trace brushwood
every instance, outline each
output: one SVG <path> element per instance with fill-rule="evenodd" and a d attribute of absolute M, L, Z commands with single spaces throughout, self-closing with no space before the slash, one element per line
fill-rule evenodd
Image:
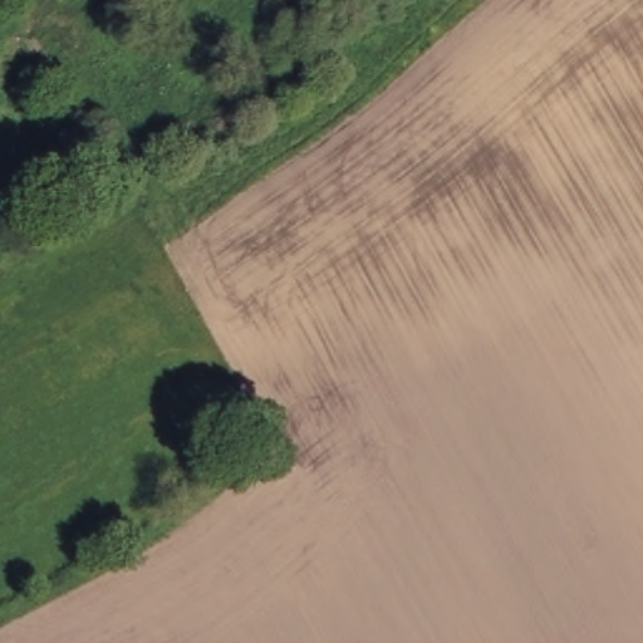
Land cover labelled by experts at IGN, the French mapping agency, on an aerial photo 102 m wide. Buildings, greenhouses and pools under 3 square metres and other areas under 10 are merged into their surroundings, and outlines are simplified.
<path fill-rule="evenodd" d="M 208 485 L 196 485 L 188 485 L 186 475 L 178 467 L 166 470 L 161 472 L 156 485 L 156 500 L 161 505 L 136 510 L 128 500 L 121 505 L 118 520 L 141 520 L 146 525 L 161 517 L 171 517 L 178 527 L 196 512 L 201 512 L 206 505 L 211 505 L 221 492 Z"/>
<path fill-rule="evenodd" d="M 93 580 L 95 575 L 88 568 L 75 565 L 55 580 L 38 578 L 33 573 L 23 593 L 13 603 L 0 608 L 0 625 L 60 598 L 63 593 Z"/>

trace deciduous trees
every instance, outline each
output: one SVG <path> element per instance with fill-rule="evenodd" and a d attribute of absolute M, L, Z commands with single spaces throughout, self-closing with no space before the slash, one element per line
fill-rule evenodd
<path fill-rule="evenodd" d="M 296 445 L 284 432 L 286 409 L 274 399 L 264 399 L 259 394 L 254 394 L 246 402 L 211 402 L 193 417 L 191 447 L 183 452 L 183 460 L 188 460 L 193 467 L 196 485 L 208 485 L 221 492 L 239 492 L 254 482 L 279 480 L 296 462 Z"/>
<path fill-rule="evenodd" d="M 93 532 L 78 543 L 75 565 L 88 568 L 95 575 L 141 565 L 146 560 L 146 550 L 138 540 L 146 525 L 141 520 L 118 520 L 108 522 L 100 532 Z"/>
<path fill-rule="evenodd" d="M 23 186 L 0 193 L 0 294 L 18 284 L 18 271 L 25 264 L 55 264 L 63 256 L 70 256 L 78 244 L 90 239 L 95 234 L 95 224 L 113 216 L 126 196 L 131 166 L 118 163 L 118 143 L 126 143 L 131 138 L 133 128 L 118 123 L 118 118 L 105 105 L 88 100 L 88 93 L 70 75 L 60 75 L 55 68 L 43 68 L 35 85 L 28 90 L 28 113 L 33 118 L 60 118 L 70 113 L 83 126 L 93 126 L 95 138 L 75 146 L 70 153 L 63 156 L 48 153 L 30 158 L 25 163 Z"/>

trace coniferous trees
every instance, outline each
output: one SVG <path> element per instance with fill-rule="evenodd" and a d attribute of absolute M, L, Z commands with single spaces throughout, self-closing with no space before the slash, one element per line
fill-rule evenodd
<path fill-rule="evenodd" d="M 126 0 L 123 13 L 128 15 L 131 28 L 118 43 L 123 48 L 143 53 L 146 60 L 156 55 L 178 55 L 181 60 L 186 60 L 191 55 L 191 48 L 196 43 L 193 18 L 186 15 L 176 23 L 173 15 L 166 10 L 171 0 Z"/>
<path fill-rule="evenodd" d="M 201 73 L 201 78 L 211 85 L 216 100 L 221 95 L 234 95 L 241 88 L 254 88 L 256 83 L 264 83 L 271 75 L 289 73 L 296 60 L 304 63 L 304 83 L 311 90 L 339 90 L 349 78 L 349 63 L 339 53 L 342 40 L 349 33 L 369 25 L 374 18 L 394 18 L 399 10 L 399 0 L 301 0 L 304 15 L 294 15 L 291 10 L 279 13 L 271 28 L 271 38 L 266 43 L 254 43 L 251 33 L 246 38 L 239 38 L 234 28 L 219 40 L 221 48 L 229 53 L 226 60 L 213 63 Z"/>
<path fill-rule="evenodd" d="M 279 88 L 276 98 L 256 98 L 236 113 L 236 131 L 224 143 L 206 143 L 196 138 L 196 123 L 178 116 L 176 126 L 168 126 L 163 133 L 151 136 L 138 163 L 148 173 L 171 178 L 173 191 L 186 188 L 203 168 L 213 171 L 216 163 L 226 161 L 226 153 L 241 153 L 249 146 L 269 138 L 276 131 L 279 121 L 291 118 L 294 111 L 299 111 L 299 90 Z"/>

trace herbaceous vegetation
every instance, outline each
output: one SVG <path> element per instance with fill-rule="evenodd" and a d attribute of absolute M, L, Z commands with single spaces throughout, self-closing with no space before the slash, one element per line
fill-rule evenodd
<path fill-rule="evenodd" d="M 161 517 L 146 525 L 138 540 L 146 550 L 153 543 L 168 538 L 178 527 L 171 517 Z"/>
<path fill-rule="evenodd" d="M 126 143 L 118 143 L 118 163 L 131 166 L 126 196 L 113 216 L 95 224 L 95 234 L 90 239 L 93 244 L 100 244 L 108 236 L 113 236 L 121 229 L 121 219 L 126 213 L 138 213 L 141 221 L 148 224 L 151 239 L 156 239 L 161 246 L 183 236 L 191 226 L 203 221 L 224 203 L 229 203 L 236 193 L 264 178 L 284 161 L 294 158 L 314 141 L 319 141 L 347 116 L 357 113 L 367 100 L 372 100 L 379 90 L 387 88 L 389 80 L 404 73 L 435 40 L 452 30 L 462 18 L 475 13 L 485 0 L 399 0 L 399 10 L 394 18 L 374 18 L 369 25 L 349 33 L 342 40 L 339 53 L 349 63 L 349 78 L 339 90 L 311 90 L 304 83 L 304 63 L 296 60 L 289 73 L 271 75 L 264 83 L 256 83 L 254 88 L 241 88 L 234 95 L 221 95 L 216 100 L 211 85 L 201 78 L 201 73 L 213 63 L 226 60 L 229 53 L 221 48 L 219 40 L 234 28 L 239 38 L 246 38 L 251 33 L 254 43 L 266 43 L 271 38 L 271 28 L 279 13 L 291 10 L 294 15 L 304 15 L 301 0 L 171 0 L 166 10 L 173 15 L 176 23 L 186 15 L 193 18 L 196 43 L 191 48 L 191 55 L 186 60 L 181 60 L 178 55 L 156 55 L 146 60 L 143 53 L 123 48 L 118 43 L 131 28 L 128 15 L 123 13 L 126 0 L 0 0 L 0 193 L 23 186 L 25 163 L 30 158 L 48 153 L 63 156 L 70 153 L 75 146 L 95 138 L 93 126 L 83 126 L 70 113 L 60 118 L 33 118 L 28 113 L 28 90 L 35 85 L 43 68 L 55 68 L 60 75 L 70 75 L 88 93 L 88 100 L 105 105 L 118 118 L 118 123 L 133 128 L 131 138 Z M 299 90 L 299 111 L 294 111 L 291 118 L 279 121 L 276 131 L 269 138 L 249 146 L 241 153 L 226 153 L 226 161 L 216 163 L 213 171 L 203 168 L 186 188 L 173 191 L 171 178 L 148 173 L 138 163 L 151 136 L 163 133 L 168 126 L 176 126 L 178 116 L 196 123 L 196 138 L 206 143 L 224 143 L 236 131 L 236 113 L 256 98 L 276 98 L 279 88 Z"/>

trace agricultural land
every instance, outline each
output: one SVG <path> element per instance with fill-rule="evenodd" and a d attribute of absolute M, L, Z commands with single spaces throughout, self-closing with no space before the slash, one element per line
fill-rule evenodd
<path fill-rule="evenodd" d="M 191 447 L 193 417 L 211 402 L 246 402 L 254 394 L 259 394 L 264 399 L 274 399 L 286 409 L 284 432 L 296 445 L 296 462 L 279 480 L 254 482 L 239 492 L 221 492 L 211 505 L 206 505 L 201 512 L 196 512 L 178 527 L 168 538 L 153 543 L 146 550 L 146 560 L 141 565 L 95 575 L 93 580 L 63 593 L 60 598 L 0 625 L 0 643 L 643 643 L 643 0 L 485 0 L 475 13 L 462 18 L 452 30 L 435 40 L 404 73 L 389 80 L 387 88 L 379 90 L 372 100 L 367 100 L 357 113 L 347 116 L 319 141 L 314 141 L 294 158 L 284 161 L 264 178 L 236 193 L 229 203 L 224 203 L 203 221 L 191 226 L 183 236 L 161 246 L 156 239 L 151 239 L 148 224 L 141 221 L 138 213 L 126 213 L 121 219 L 121 229 L 113 236 L 108 236 L 100 244 L 93 244 L 90 239 L 78 244 L 70 256 L 63 256 L 55 264 L 25 264 L 18 271 L 18 284 L 0 294 L 0 608 L 13 603 L 23 593 L 33 573 L 38 578 L 55 580 L 75 565 L 78 543 L 93 532 L 100 532 L 108 522 L 118 520 L 121 505 L 128 500 L 136 510 L 161 505 L 156 500 L 156 485 L 161 472 L 166 470 L 178 467 L 186 475 L 188 485 L 196 485 L 193 467 L 188 460 L 183 460 L 183 452 Z"/>

